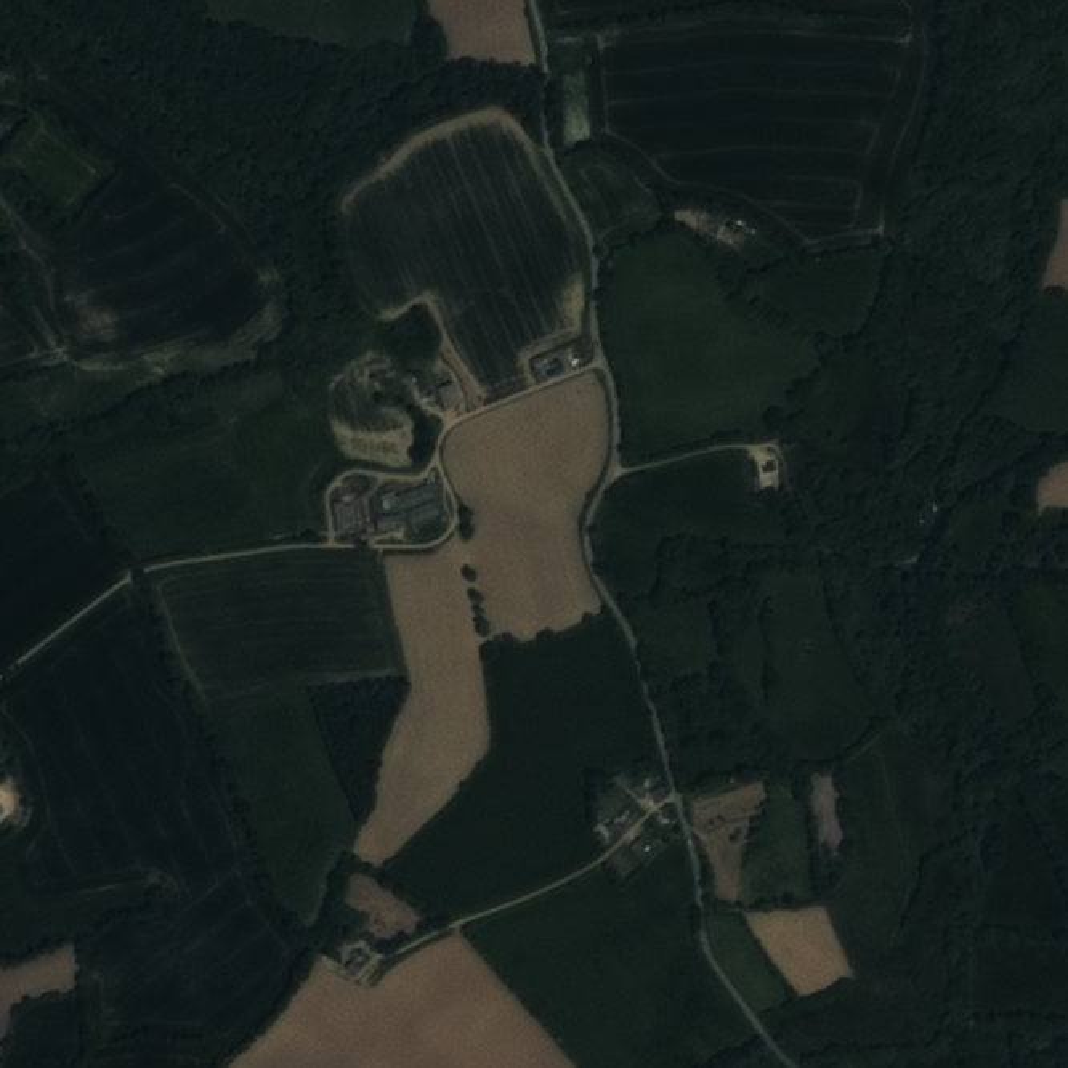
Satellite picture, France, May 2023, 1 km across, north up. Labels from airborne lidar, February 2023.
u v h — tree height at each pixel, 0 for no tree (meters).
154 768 0
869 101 0
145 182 0
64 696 0
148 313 0
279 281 0
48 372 7
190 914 0
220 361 0
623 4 0
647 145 0
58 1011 0
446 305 0
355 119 13
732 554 13
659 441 0
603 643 0
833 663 0
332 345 0
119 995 0
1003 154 11
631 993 0
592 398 0
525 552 0
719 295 0
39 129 0
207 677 0
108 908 0
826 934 0
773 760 10
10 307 0
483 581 0
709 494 0
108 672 0
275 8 0
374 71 12
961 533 0
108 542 11
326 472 0
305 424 0
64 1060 0
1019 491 19
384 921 0
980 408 9
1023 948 9
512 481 0
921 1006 0
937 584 21
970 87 11
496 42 0
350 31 0
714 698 9
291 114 13
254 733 0
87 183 0
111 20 20
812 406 0
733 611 0
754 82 0
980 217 8
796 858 0
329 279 12
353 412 0
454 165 0
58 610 0
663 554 14
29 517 0
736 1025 0
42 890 0
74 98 0
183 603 0
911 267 17
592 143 10
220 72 17
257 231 8
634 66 0
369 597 0
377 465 0
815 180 0
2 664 0
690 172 0
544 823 0
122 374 0
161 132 19
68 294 0
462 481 0
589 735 0
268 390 0
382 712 14
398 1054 0
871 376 0
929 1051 10
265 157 16
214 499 0
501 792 0
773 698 7
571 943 0
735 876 0
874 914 0
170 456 0
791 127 0
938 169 8
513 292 0
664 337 0
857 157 0
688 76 0
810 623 0
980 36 14
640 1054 0
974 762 22
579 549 0
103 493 0
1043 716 15
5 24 25
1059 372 0
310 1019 0
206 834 0
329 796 0
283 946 0
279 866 0
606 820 0
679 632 0
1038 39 9
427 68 16
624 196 0
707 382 0
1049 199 6
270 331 0
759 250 0
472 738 0
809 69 0
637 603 7
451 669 0
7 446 15
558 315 0
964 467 7
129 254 0
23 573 0
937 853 12
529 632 0
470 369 0
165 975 0
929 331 0
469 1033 0
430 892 0
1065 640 0
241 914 0
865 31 0
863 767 0
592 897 0
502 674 0
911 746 0
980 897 7
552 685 0
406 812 0
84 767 0
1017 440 14
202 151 11
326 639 0
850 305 0
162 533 0
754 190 0
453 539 0
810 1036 0
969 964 9
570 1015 0
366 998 0
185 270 0
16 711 0
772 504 16
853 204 0
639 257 0
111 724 0
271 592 0
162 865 0
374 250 0
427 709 0
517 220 0
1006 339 0
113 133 0
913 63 0
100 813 0
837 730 0
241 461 0
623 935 0
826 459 0
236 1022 0
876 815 0
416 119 8
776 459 0
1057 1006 0
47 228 6
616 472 0
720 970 0
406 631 0
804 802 13
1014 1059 15
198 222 0
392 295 0
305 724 0
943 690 20
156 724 0
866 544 12
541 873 0
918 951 0
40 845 0
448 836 0
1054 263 0
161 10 18
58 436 22
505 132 0
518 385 0
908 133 0
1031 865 0
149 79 13
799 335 8
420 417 10
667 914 0
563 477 0
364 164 0
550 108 14
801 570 14
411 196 0
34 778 0
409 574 0
